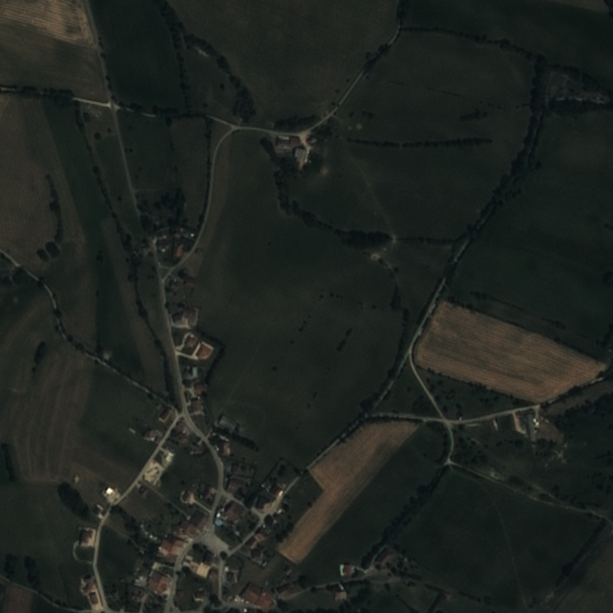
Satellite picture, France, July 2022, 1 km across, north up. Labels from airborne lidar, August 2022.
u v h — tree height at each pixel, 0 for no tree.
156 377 0
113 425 0
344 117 0
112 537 0
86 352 9
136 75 0
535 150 9
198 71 0
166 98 0
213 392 0
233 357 0
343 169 0
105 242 0
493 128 0
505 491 0
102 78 0
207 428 0
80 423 0
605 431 0
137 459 0
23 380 0
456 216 0
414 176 0
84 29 0
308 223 13
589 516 6
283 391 0
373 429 0
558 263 0
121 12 0
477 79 0
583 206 0
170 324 0
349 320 0
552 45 0
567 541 0
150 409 0
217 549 0
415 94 0
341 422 0
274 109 0
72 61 0
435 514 0
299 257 0
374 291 0
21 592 0
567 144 0
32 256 0
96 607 0
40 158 0
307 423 0
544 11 0
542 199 0
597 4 0
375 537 0
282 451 0
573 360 0
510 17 0
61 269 0
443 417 0
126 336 0
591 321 0
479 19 0
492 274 0
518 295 0
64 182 0
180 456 0
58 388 0
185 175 0
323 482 0
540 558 0
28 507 0
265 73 0
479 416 0
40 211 0
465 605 0
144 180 0
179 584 0
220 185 0
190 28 0
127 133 0
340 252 0
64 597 0
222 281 0
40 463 0
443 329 0
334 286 0
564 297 0
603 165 0
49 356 0
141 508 0
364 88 0
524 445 10
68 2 0
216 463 0
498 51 0
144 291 0
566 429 13
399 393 0
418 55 0
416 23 0
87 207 0
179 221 9
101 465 0
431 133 0
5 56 0
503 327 0
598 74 0
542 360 0
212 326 0
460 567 0
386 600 0
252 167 0
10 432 0
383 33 0
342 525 0
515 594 0
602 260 0
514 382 0
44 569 0
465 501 0
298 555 0
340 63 0
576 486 0
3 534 0
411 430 0
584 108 13
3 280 15
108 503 0
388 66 0
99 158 0
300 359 0
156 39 0
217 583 0
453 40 0
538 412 0
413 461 0
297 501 0
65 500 15
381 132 0
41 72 0
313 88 0
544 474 0
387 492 0
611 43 0
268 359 0
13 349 0
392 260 0
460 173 0
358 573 8
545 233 0
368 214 0
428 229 0
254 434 0
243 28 0
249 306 0
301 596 0
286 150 0
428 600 0
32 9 0
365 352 0
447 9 0
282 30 0
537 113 14
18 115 0
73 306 0
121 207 0
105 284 0
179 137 0
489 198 0
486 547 0
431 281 0
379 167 0
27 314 0
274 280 0
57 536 0
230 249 0
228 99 0
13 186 0
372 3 0
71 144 0
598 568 0
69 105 7
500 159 0
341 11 0
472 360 0
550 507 0
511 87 0
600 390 0
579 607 0
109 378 0
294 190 0
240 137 0
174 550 0
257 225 0
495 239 0
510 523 0
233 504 0
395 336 0
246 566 0
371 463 0
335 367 0
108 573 0
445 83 0
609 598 0
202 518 0
